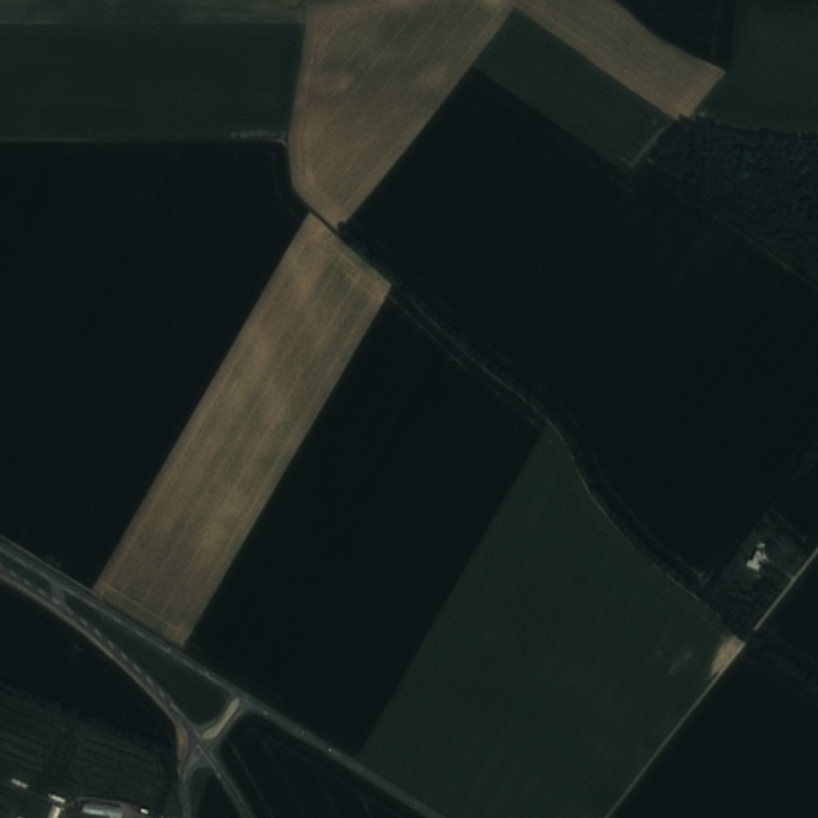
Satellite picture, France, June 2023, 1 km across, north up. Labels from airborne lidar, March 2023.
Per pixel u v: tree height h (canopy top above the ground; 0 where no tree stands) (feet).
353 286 0
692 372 0
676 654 0
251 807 0
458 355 0
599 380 0
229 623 0
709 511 0
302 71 0
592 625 0
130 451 0
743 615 38
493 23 0
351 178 0
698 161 46
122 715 0
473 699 0
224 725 0
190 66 0
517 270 0
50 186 0
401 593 0
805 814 0
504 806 0
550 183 0
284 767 0
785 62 0
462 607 0
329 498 0
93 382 0
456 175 0
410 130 0
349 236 43
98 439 0
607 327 0
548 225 0
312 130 0
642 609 0
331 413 0
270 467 0
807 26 0
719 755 0
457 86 0
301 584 0
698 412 0
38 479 0
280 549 0
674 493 0
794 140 63
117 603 0
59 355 0
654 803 0
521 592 0
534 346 0
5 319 0
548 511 0
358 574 0
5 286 0
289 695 0
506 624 0
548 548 0
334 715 0
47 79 0
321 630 0
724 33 0
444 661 0
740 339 0
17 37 0
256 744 0
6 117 0
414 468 0
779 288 0
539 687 0
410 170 0
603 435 0
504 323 0
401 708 0
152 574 0
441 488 0
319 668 0
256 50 0
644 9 0
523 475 0
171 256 0
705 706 0
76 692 0
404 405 0
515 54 0
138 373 0
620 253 0
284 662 0
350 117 0
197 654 0
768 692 0
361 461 0
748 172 44
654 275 0
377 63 0
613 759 0
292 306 0
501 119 0
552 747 0
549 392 0
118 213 0
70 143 0
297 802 0
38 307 0
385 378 0
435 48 0
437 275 0
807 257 57
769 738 0
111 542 0
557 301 0
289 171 0
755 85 0
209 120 0
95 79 0
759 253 0
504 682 0
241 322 0
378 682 0
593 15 0
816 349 0
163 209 0
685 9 0
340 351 0
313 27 0
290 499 0
